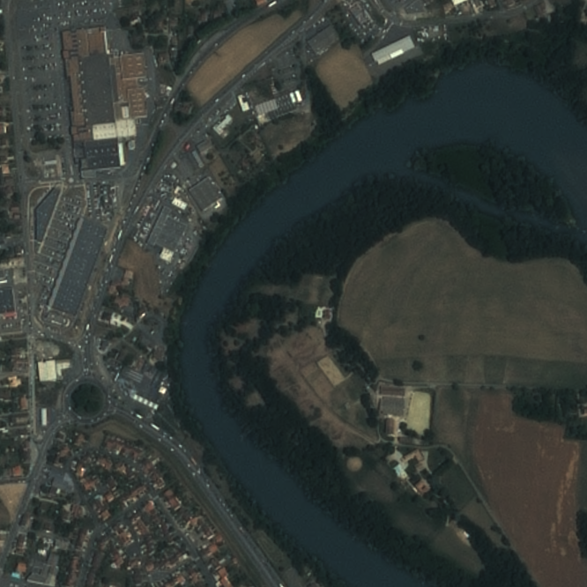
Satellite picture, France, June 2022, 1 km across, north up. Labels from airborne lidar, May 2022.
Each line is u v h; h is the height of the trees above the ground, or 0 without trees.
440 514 22
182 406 24
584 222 0
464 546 0
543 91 0
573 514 0
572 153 0
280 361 0
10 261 0
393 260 0
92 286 0
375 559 0
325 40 0
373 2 0
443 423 0
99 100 0
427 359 0
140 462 6
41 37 0
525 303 0
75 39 0
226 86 0
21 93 0
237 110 0
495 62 10
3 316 0
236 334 13
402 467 0
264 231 0
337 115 11
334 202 8
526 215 0
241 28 0
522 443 0
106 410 0
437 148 8
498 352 0
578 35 14
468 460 0
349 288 0
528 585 7
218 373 30
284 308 31
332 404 0
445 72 10
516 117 0
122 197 0
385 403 0
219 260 0
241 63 0
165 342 6
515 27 0
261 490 0
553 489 0
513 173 27
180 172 0
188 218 0
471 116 0
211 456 12
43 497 0
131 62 0
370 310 0
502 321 0
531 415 13
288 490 0
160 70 0
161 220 0
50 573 0
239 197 9
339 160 0
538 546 0
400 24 0
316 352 0
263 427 33
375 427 14
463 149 6
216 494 0
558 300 0
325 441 21
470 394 0
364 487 0
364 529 19
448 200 26
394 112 0
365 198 28
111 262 0
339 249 23
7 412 8
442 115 0
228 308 27
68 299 0
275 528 16
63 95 0
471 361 0
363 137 0
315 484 25
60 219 0
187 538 0
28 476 0
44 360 0
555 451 0
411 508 0
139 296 0
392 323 0
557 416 5
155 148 12
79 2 0
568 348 0
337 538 0
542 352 0
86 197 0
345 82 0
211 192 0
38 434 0
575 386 0
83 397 14
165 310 0
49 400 0
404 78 26
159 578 0
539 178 21
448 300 0
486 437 0
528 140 0
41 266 0
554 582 0
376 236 20
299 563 13
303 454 14
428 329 0
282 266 20
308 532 0
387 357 0
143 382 0
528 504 0
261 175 12
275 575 0
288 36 0
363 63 0
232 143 7
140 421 0
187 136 0
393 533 24
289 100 0
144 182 0
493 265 0
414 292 0
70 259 0
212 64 0
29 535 8
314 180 0
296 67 8
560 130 0
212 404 0
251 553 0
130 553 0
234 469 0
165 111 0
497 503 0
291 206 0
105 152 0
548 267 0
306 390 0
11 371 0
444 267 0
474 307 0
